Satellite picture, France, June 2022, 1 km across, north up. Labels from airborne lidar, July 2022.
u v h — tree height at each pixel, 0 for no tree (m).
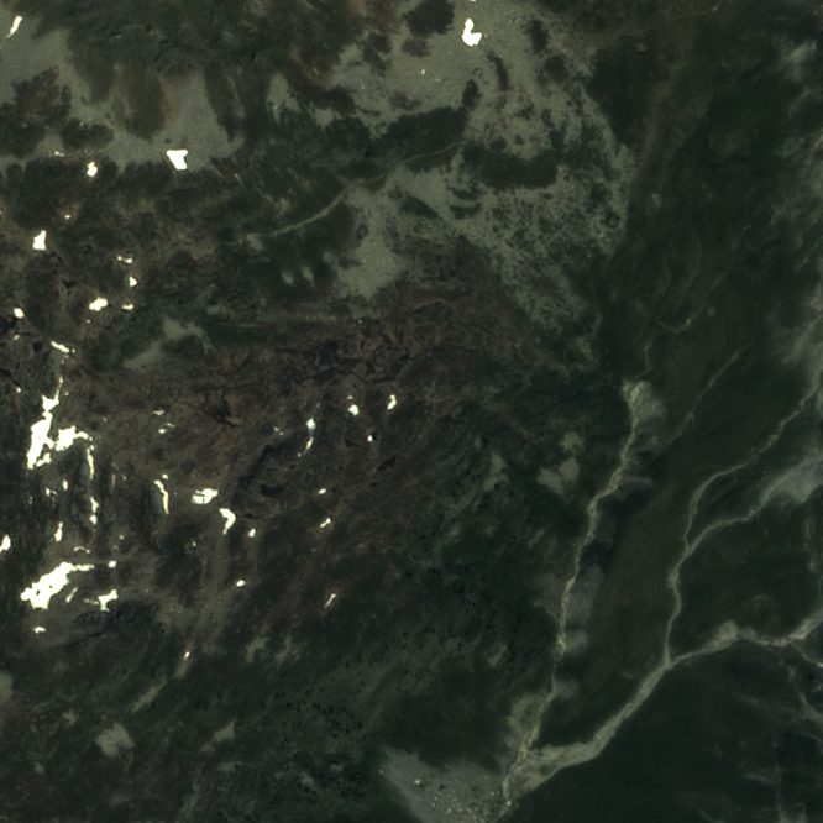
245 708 0
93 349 0
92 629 0
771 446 0
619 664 0
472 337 0
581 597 0
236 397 0
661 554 0
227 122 0
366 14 0
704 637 0
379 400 0
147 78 0
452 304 0
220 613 0
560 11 0
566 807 0
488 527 0
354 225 0
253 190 0
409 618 0
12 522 0
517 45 0
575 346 0
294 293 0
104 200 0
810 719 0
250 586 0
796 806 0
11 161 0
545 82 0
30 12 0
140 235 0
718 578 0
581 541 0
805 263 0
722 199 0
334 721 10
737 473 0
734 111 0
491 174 0
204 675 0
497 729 0
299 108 0
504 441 0
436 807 0
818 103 0
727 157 0
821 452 0
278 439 0
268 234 0
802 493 0
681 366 0
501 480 0
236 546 0
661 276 0
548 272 0
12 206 0
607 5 0
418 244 0
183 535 0
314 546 0
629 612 0
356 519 0
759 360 0
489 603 13
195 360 0
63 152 0
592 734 0
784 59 0
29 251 0
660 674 0
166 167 0
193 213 0
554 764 0
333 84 0
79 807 0
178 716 0
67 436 0
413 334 0
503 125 0
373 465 0
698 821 0
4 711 0
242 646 0
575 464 0
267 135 0
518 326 0
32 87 0
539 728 0
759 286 0
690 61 0
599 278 0
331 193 0
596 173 0
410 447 0
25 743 0
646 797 0
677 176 0
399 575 0
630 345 0
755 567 0
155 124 0
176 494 0
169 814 0
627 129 0
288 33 0
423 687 0
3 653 0
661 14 0
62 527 0
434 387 0
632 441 0
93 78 0
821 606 0
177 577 0
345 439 0
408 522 0
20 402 0
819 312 0
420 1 0
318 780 9
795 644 0
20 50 0
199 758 0
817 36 0
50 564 0
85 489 0
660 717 0
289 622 0
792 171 0
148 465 0
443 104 0
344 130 0
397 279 0
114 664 0
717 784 0
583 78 0
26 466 0
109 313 0
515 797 0
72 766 0
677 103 0
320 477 0
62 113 0
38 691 0
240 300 0
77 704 0
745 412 0
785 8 0
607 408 0
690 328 0
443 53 0
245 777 0
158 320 0
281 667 0
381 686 0
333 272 0
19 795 0
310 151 0
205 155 0
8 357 0
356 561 0
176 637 0
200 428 0
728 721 0
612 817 0
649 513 0
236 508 0
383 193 0
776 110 0
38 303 0
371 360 0
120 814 0
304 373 0
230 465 0
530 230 0
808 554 0
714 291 0
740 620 0
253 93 0
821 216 0
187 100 0
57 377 0
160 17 0
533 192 0
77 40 0
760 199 0
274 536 0
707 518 0
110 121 0
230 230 0
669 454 0
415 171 0
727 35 0
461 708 0
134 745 0
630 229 0
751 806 0
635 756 0
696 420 0
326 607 0
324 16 0
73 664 0
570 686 0
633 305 0
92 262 0
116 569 0
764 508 0
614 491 0
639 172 0
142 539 0
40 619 0
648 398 0
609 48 0
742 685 0
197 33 0
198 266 0
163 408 0
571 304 0
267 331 0
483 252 0
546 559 0
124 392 0
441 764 0
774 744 0
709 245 0
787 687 0
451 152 0
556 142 0
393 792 0
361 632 0
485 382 0
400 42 0
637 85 0
